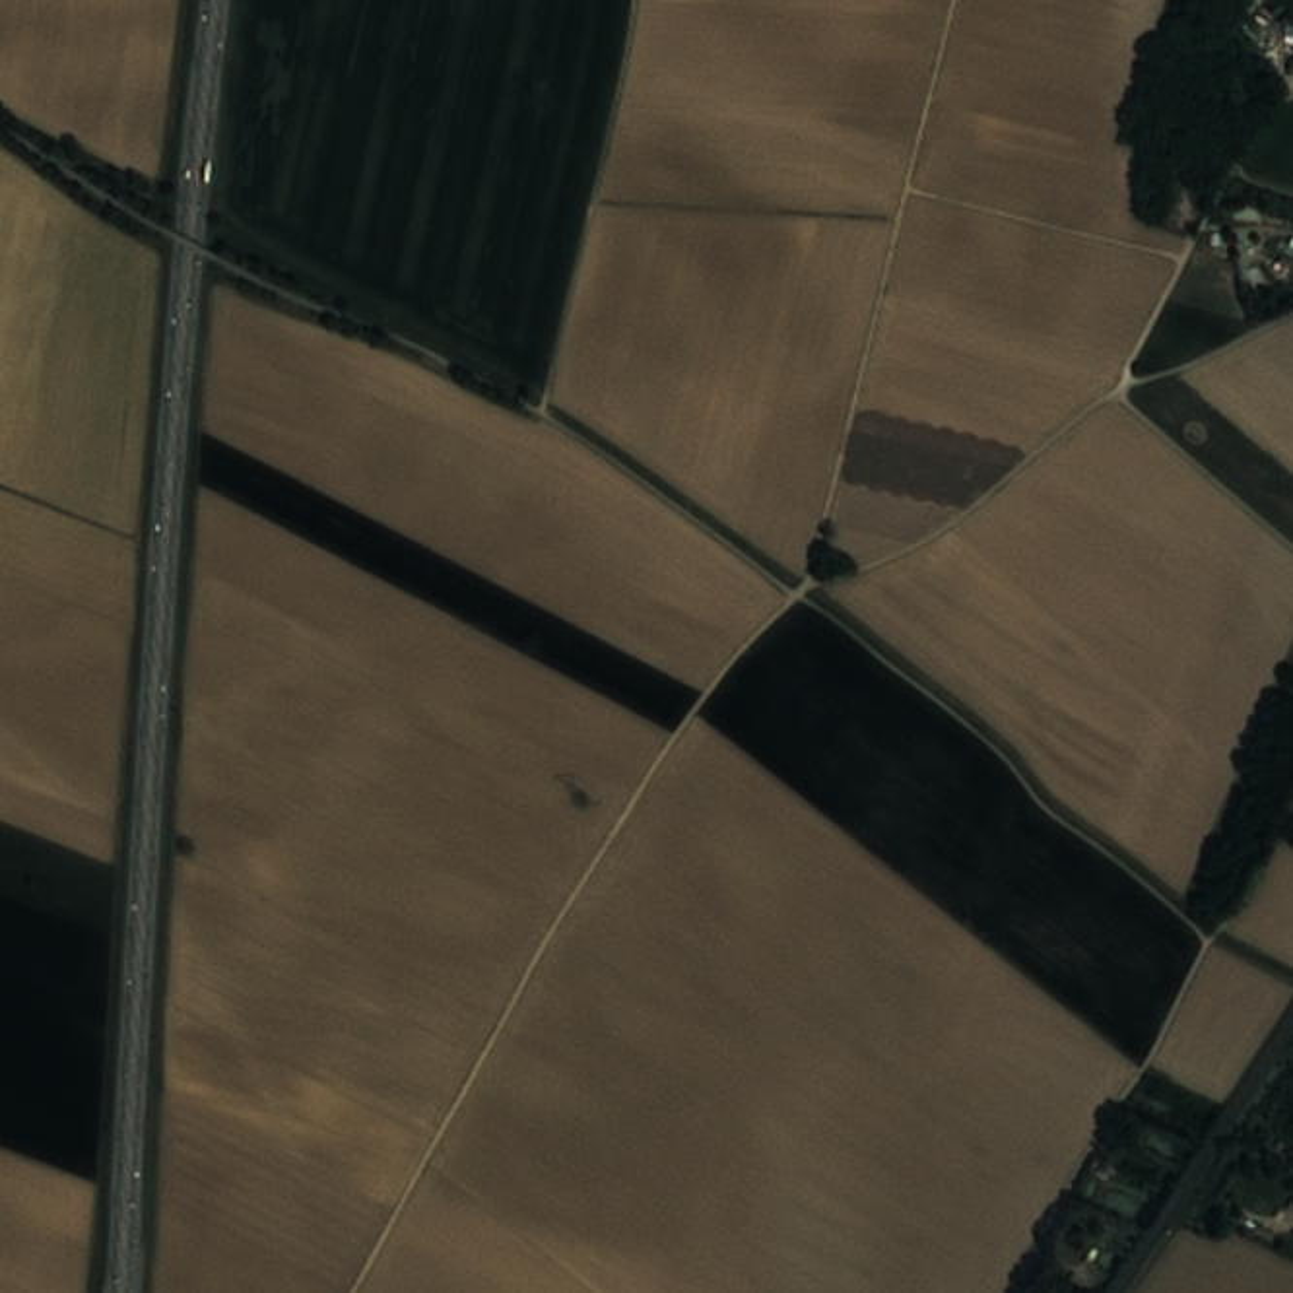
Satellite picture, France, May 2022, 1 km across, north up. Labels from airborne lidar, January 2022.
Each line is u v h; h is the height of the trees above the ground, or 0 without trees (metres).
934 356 0
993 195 0
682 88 0
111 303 0
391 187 0
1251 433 0
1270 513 0
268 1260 0
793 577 0
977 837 0
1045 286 0
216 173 0
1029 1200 0
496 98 0
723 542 0
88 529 0
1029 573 0
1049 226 0
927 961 0
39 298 0
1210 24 16
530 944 0
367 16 0
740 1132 0
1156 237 0
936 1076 0
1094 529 0
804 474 0
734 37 0
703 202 0
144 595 0
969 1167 0
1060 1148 0
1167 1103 0
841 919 0
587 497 0
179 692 0
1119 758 0
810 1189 0
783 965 0
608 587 0
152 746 0
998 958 0
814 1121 0
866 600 0
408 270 0
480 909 0
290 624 0
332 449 0
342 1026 0
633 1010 0
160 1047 0
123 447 0
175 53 0
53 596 0
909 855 0
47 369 0
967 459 0
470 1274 0
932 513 0
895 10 0
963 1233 0
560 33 0
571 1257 0
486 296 0
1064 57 0
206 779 0
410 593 0
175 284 0
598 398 0
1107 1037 0
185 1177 0
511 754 0
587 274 0
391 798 0
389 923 0
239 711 0
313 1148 0
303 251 0
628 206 0
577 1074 0
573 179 0
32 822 0
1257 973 0
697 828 0
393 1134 0
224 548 0
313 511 0
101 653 0
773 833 0
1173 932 0
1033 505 0
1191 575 0
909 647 0
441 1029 0
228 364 0
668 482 0
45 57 0
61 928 0
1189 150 15
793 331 0
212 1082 0
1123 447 0
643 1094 0
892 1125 0
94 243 0
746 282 0
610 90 0
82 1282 0
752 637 0
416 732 0
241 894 0
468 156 0
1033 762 0
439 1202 0
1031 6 0
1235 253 14
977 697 0
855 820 0
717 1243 0
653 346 0
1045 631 0
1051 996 0
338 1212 0
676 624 0
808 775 0
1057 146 0
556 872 0
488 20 0
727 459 0
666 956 0
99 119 0
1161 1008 0
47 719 0
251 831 0
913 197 0
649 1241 0
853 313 0
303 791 0
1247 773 21
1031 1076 0
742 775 0
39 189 0
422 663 0
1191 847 0
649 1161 0
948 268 0
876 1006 0
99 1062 0
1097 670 0
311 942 0
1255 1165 10
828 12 0
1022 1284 20
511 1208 0
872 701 0
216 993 0
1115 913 0
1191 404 0
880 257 0
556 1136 0
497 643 0
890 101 0
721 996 0
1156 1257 0
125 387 0
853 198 0
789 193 0
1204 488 0
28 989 0
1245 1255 0
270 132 0
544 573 0
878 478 0
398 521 0
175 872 0
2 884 0
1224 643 0
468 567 0
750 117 0
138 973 0
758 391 0
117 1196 0
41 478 0
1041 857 0
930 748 0
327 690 0
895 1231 0
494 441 0
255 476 0
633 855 0
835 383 0
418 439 0
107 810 0
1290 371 0
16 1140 0
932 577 0
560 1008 0
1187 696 0
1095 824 0
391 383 0
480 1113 0
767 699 0
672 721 0
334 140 0
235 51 0
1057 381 0
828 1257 0
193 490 0
